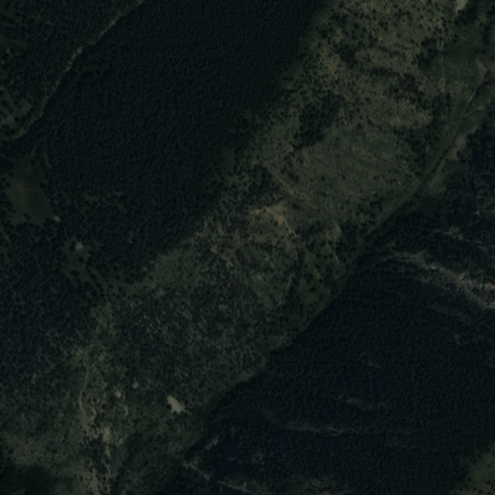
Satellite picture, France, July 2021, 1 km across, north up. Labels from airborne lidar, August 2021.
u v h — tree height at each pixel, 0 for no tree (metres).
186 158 21
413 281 10
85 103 29
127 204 24
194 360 6
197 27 21
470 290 0
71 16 24
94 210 19
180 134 19
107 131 26
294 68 0
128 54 21
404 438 11
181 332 12
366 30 12
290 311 8
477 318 8
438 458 18
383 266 14
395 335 13
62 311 18
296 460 18
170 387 7
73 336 11
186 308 11
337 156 7
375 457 21
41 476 7
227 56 20
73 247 11
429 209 0
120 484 8
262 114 7
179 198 15
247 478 6
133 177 20
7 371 10
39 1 23
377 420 10
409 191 0
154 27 19
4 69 21
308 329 6
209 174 14
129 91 26
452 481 16
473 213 8
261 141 7
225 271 10
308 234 10
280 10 20
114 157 20
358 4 6
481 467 0
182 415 9
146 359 10
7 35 20
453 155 0
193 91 18
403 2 0
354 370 25
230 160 0
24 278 14
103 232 17
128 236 22
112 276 0
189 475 6
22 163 0
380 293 15
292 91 11
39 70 26
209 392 6
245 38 18
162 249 11
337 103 8
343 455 23
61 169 14
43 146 16
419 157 13
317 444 11
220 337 7
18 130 7
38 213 0
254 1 22
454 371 17
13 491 12
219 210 12
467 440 18
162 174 20
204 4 22
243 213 7
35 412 9
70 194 19
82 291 17
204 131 24
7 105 17
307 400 9
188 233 12
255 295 7
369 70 7
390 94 11
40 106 17
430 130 15
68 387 11
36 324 16
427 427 12
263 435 12
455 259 8
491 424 17
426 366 15
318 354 24
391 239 16
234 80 22
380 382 9
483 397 19
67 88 28
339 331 29
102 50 20
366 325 23
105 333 8
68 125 24
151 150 25
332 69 0
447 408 8
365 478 11
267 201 6
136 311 10
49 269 17
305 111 9
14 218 0
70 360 9
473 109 0
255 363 11
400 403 19
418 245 13
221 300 8
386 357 23
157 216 19
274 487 13
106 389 10
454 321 10
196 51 19
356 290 13
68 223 18
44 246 22
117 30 18
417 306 11
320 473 13
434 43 13
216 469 6
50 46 21
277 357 13
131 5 14
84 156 18
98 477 6
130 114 26
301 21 15
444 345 12
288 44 15
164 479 9
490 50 0
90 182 16
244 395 8
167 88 26
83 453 8
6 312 12
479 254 11
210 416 7
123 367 7
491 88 0
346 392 8
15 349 11
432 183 0
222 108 22
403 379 11
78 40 8
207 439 7
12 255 17
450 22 7
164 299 13
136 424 7
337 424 10
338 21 15
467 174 0
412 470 12
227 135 18
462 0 0
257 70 19
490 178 14
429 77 5
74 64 9
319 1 13
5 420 7
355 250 16
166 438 11
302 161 8
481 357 17
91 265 18
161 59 20
